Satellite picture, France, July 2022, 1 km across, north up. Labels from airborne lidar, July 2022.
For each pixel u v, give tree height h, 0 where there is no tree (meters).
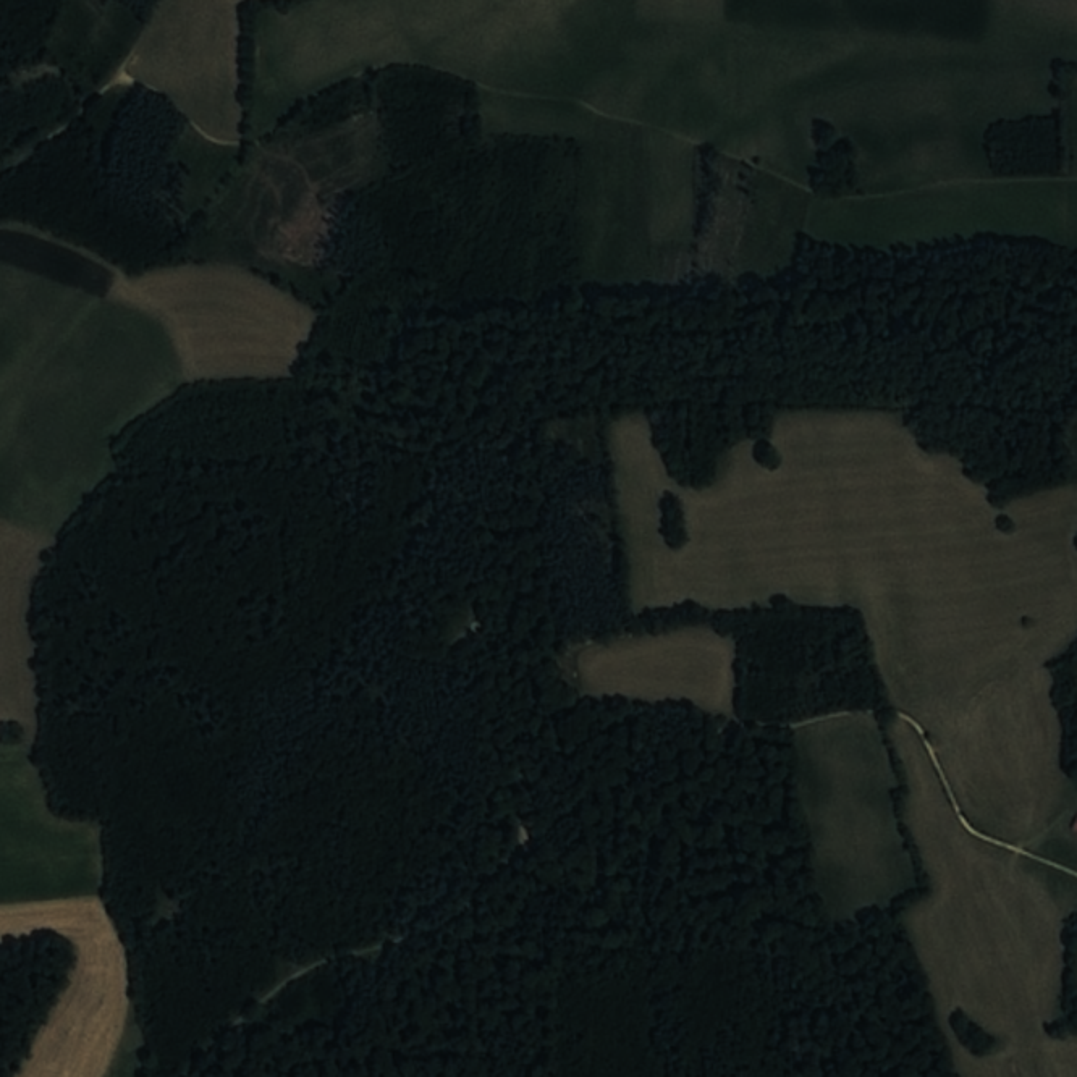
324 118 7
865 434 0
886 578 0
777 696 10
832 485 0
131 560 12
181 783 17
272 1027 24
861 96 0
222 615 9
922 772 0
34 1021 25
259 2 11
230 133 0
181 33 0
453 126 7
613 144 0
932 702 0
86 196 17
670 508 19
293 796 16
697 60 0
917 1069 30
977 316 29
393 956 20
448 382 24
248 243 0
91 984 0
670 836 32
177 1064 12
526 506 24
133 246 14
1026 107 0
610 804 27
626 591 19
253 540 22
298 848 11
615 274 0
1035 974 0
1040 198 0
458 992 31
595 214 0
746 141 0
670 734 27
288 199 0
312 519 21
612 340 27
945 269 27
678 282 0
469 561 27
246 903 14
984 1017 0
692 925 27
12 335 0
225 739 11
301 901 13
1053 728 0
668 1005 20
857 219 0
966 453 19
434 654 18
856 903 0
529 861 29
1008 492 19
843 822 0
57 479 0
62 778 11
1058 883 0
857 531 0
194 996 10
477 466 26
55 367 0
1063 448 24
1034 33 0
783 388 21
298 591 17
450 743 26
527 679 10
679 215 0
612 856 29
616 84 0
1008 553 0
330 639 12
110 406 0
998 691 0
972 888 0
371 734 25
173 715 9
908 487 0
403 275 7
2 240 0
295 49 0
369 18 0
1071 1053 0
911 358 29
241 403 8
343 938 14
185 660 13
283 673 19
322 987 7
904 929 7
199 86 0
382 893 18
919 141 0
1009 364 32
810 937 28
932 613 0
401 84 9
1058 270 17
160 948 18
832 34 0
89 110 15
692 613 19
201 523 22
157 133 21
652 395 20
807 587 0
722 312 37
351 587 14
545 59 0
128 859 17
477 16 0
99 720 12
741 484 0
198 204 0
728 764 27
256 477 13
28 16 14
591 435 0
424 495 10
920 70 0
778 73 0
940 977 0
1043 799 0
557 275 7
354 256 22
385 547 11
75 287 0
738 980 8
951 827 0
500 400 27
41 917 0
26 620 0
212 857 13
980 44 0
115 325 0
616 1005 10
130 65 0
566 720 28
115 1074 0
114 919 16
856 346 28
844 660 23
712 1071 19
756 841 35
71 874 0
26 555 0
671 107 0
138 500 11
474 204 7
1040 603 0
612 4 0
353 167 0
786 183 0
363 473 24
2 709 0
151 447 8
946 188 0
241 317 0
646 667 0
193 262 8
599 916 32
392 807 11
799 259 15
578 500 22
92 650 11
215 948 25
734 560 0
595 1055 9
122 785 12
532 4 0
